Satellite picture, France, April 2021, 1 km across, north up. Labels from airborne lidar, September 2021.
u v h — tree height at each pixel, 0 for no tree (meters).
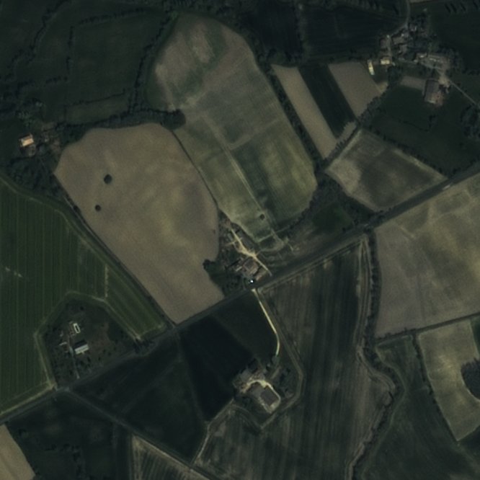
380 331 0
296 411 0
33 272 0
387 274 0
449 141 0
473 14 0
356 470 10
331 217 0
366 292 0
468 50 0
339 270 0
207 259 0
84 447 0
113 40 0
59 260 0
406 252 0
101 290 0
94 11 0
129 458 0
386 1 0
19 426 0
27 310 0
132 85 0
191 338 0
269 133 0
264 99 0
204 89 0
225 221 0
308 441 0
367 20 0
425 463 0
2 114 17
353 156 0
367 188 0
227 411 0
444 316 0
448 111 0
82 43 0
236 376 8
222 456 0
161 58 0
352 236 0
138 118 18
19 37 0
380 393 0
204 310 0
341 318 0
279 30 0
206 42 0
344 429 0
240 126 0
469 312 0
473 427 0
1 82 10
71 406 0
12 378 0
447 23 0
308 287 0
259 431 0
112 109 0
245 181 0
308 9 0
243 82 0
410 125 7
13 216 0
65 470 0
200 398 0
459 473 0
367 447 14
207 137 0
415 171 0
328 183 12
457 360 0
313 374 0
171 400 0
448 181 0
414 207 0
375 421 0
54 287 0
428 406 0
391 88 8
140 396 0
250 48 0
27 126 16
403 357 0
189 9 7
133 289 0
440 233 0
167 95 0
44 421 0
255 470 0
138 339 0
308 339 0
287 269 0
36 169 0
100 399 17
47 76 0
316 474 0
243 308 0
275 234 0
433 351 0
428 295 0
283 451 0
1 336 0
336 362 0
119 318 0
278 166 0
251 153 0
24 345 0
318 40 0
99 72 0
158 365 0
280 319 0
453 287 0
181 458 0
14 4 0
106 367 0
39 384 0
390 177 0
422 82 0
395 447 0
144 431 0
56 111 0
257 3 0
